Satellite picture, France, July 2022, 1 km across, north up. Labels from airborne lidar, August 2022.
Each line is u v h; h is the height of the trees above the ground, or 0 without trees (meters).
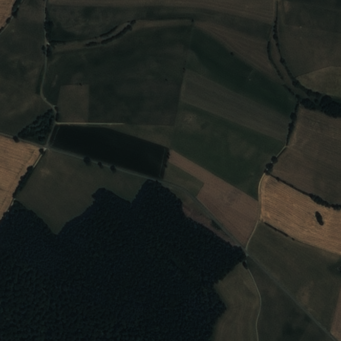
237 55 0
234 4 0
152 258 23
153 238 12
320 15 0
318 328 0
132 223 22
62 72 0
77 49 0
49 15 8
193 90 0
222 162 0
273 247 0
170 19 0
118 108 0
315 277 0
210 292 22
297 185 0
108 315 32
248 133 0
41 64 0
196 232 24
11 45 0
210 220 0
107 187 0
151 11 0
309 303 0
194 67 0
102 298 28
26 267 28
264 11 0
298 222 0
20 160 0
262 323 0
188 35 0
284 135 0
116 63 0
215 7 0
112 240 21
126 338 15
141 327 18
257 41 0
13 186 0
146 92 0
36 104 0
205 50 0
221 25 0
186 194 0
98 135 0
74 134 0
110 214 23
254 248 0
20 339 28
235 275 0
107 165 0
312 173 0
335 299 0
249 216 0
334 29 0
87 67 0
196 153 0
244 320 0
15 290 31
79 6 0
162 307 24
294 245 0
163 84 0
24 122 0
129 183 0
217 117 0
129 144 0
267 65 0
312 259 0
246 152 0
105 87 0
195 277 9
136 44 0
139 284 24
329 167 0
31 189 0
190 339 17
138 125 0
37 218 24
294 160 0
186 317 18
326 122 0
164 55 0
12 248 23
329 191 0
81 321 26
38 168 0
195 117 0
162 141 0
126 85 0
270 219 0
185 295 22
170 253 12
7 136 0
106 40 6
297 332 0
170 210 25
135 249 26
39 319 32
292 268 0
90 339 30
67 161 0
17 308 26
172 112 0
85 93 0
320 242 0
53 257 31
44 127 11
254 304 0
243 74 0
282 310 0
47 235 21
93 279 21
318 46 0
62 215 0
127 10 0
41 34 0
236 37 0
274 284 0
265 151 0
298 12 0
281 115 0
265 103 0
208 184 0
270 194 0
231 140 0
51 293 29
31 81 0
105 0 0
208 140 0
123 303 31
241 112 0
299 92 0
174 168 0
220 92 0
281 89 0
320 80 0
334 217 0
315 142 0
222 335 0
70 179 0
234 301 0
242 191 0
